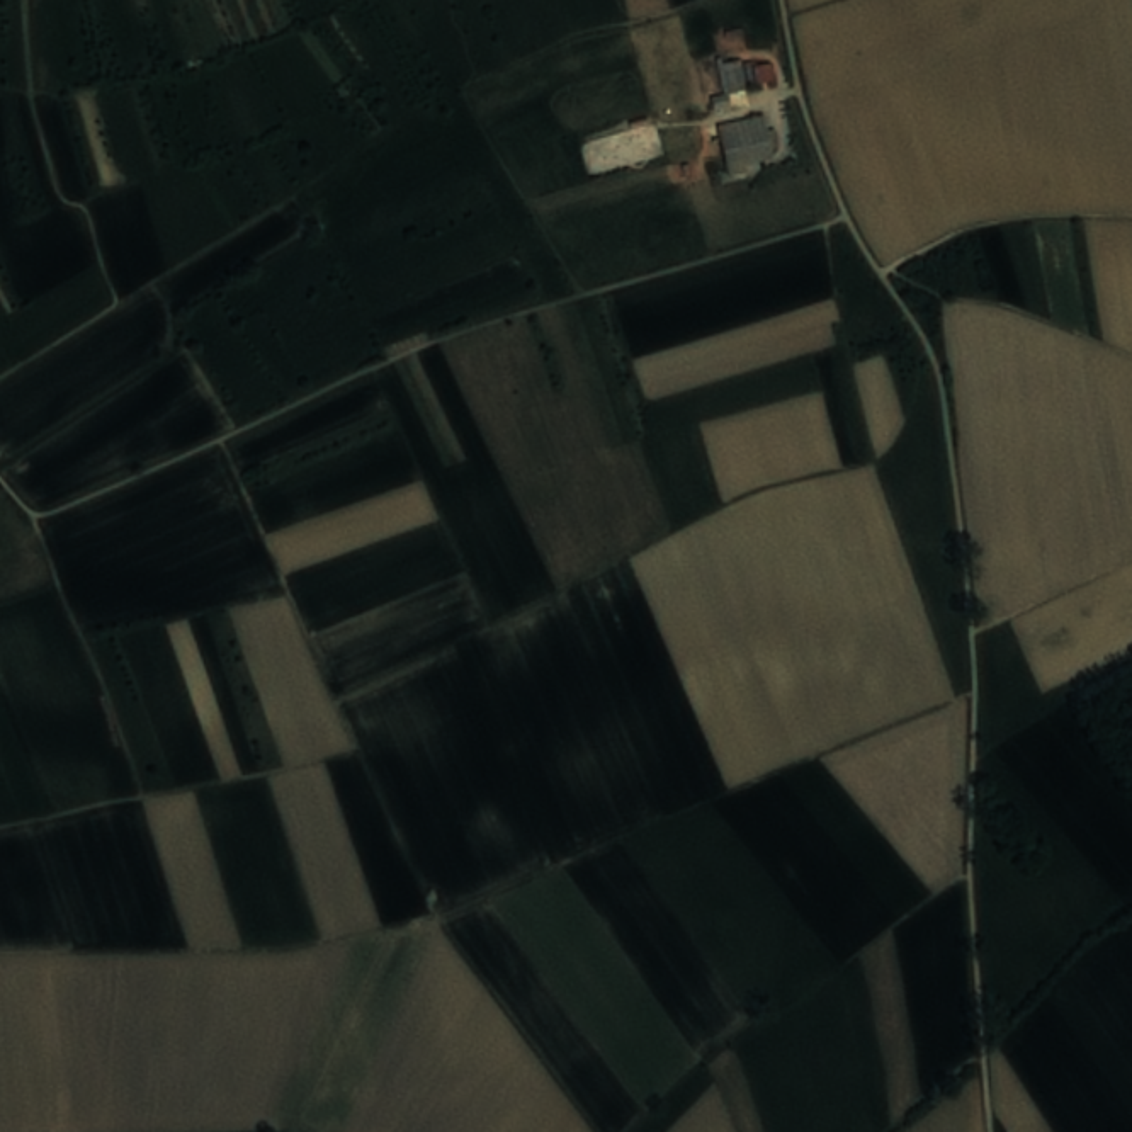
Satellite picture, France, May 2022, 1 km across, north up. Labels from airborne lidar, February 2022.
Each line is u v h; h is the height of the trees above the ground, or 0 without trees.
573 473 0
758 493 0
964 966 0
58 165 0
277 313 0
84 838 0
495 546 0
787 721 0
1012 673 0
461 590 0
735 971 0
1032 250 0
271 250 0
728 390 0
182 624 0
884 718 0
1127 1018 0
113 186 0
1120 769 25
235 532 0
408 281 0
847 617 0
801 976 0
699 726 0
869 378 0
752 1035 0
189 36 0
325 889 0
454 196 0
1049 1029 0
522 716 0
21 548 0
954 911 0
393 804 0
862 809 0
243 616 0
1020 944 0
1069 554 0
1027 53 0
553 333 0
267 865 0
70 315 0
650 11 0
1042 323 0
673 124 0
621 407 0
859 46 0
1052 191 0
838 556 0
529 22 0
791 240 0
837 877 0
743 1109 0
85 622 0
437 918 0
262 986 0
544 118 0
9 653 0
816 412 0
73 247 0
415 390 0
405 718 0
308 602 0
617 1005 0
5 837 0
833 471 0
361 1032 0
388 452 0
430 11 0
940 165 0
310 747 0
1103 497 0
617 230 0
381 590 0
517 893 0
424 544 0
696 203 0
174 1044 0
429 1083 0
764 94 0
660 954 0
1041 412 0
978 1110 0
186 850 0
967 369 0
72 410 0
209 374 0
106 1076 0
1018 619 0
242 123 0
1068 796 0
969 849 0
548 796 0
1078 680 0
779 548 0
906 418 0
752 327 0
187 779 0
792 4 0
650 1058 0
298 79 0
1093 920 0
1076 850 0
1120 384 0
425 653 0
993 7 0
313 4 0
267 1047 0
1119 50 0
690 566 0
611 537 0
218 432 0
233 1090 0
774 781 0
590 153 0
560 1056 0
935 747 0
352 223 0
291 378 0
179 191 0
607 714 0
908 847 0
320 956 0
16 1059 0
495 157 0
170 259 0
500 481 0
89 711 0
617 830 0
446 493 0
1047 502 0
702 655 0
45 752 0
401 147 0
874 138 0
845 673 0
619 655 0
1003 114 0
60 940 0
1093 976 0
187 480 0
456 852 0
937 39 0
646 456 0
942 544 0
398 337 0
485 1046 0
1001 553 0
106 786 0
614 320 0
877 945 0
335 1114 0
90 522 0
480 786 0
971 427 0
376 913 0
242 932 0
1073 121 0
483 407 0
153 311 0
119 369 0
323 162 0
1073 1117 0
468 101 0
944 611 0
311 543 0
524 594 0
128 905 0
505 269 0
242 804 0
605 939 0
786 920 0
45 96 0
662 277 0
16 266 0
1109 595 0
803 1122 0
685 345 0
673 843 0
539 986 0
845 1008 0
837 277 0
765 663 0
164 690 0
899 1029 0
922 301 6
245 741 0
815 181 0
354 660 0
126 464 0
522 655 0
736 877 0
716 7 0
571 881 0
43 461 0
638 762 0
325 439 0
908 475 0
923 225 0
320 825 0
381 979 0
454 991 0
